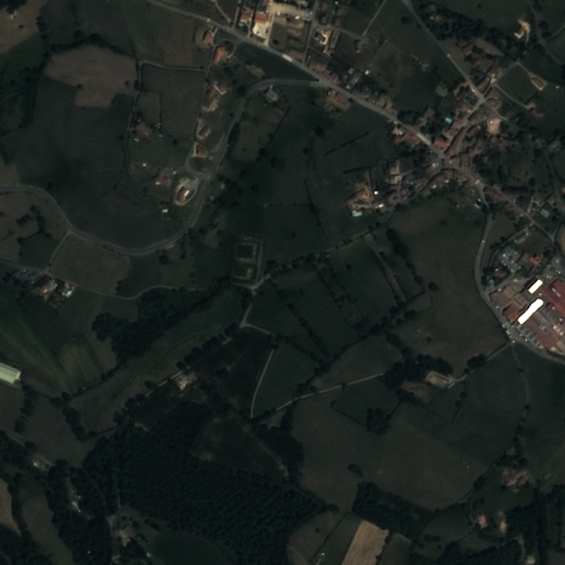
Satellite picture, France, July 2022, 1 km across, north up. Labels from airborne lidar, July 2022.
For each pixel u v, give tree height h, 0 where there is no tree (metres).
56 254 0
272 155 0
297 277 0
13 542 17
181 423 10
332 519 0
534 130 15
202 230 14
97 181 0
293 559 0
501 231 0
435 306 0
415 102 0
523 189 13
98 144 0
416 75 0
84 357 0
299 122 0
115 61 0
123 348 12
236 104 0
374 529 0
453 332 0
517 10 0
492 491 0
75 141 0
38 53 0
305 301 0
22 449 9
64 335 0
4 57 0
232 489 25
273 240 0
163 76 0
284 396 0
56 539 0
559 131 6
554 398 0
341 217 0
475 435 0
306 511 19
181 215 0
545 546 14
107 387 0
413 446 0
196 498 23
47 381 0
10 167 0
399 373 14
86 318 0
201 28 0
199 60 0
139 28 0
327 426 0
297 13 0
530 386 0
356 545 0
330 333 0
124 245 0
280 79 0
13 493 18
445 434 0
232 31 0
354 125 0
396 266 0
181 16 0
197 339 0
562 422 0
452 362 0
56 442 0
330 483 0
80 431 25
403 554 0
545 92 0
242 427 0
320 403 0
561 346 0
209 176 0
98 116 0
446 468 0
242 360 0
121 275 0
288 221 0
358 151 0
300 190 0
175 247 0
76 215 0
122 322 13
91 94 0
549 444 0
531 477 0
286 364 0
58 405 21
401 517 18
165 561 0
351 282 0
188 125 0
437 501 0
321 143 0
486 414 0
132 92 0
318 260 6
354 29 0
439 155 0
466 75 0
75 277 0
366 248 0
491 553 22
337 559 0
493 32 12
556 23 0
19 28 0
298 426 0
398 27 0
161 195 0
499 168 9
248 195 0
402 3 0
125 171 0
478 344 0
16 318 0
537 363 0
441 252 0
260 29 0
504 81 0
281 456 15
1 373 0
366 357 0
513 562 18
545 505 13
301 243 0
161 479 25
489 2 0
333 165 0
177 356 0
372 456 0
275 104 7
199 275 0
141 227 0
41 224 11
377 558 10
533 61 0
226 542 9
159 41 0
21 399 0
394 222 0
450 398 0
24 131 0
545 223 0
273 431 16
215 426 0
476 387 0
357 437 0
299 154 0
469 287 0
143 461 24
